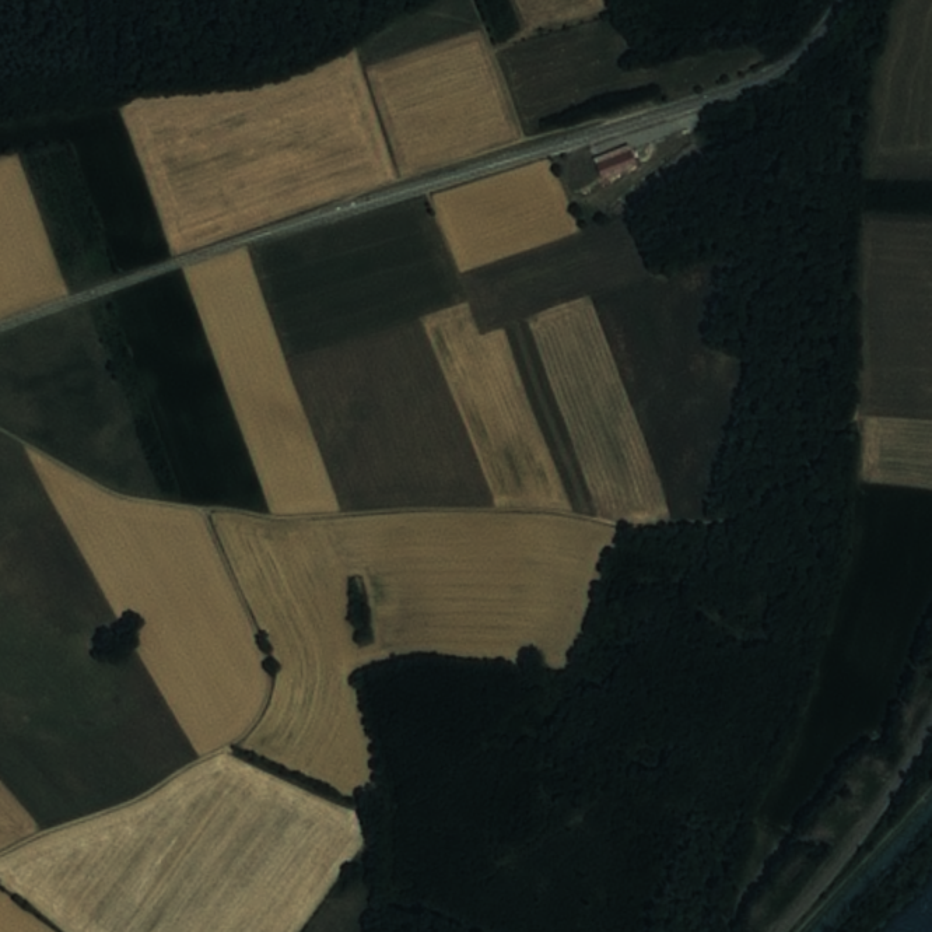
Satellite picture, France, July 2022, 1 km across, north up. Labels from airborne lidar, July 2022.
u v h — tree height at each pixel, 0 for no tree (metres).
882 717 0
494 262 0
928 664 29
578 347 0
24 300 0
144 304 0
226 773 0
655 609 11
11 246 0
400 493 0
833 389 26
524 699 17
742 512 19
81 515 0
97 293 0
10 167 0
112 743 0
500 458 0
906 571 0
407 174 0
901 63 0
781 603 14
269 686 0
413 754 6
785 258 23
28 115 19
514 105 0
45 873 0
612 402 0
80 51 24
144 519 0
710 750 14
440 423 0
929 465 0
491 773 6
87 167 0
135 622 19
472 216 0
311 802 0
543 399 0
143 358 0
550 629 0
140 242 0
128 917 0
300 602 0
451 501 0
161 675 0
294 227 0
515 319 0
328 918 0
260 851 0
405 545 0
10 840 0
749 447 21
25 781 0
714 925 26
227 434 0
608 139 0
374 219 0
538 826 7
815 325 25
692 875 20
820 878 0
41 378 0
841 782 16
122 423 0
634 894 7
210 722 0
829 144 23
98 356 0
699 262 17
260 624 0
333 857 0
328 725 0
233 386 0
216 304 0
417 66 0
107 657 20
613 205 0
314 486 0
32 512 0
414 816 7
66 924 0
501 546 0
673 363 0
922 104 0
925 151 0
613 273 0
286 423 0
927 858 15
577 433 0
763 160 28
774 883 27
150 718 0
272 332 0
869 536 0
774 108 10
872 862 0
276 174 0
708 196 22
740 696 18
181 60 23
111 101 22
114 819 0
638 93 12
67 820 0
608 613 15
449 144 0
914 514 0
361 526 0
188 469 0
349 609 10
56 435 0
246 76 20
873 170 0
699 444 0
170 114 0
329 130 0
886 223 0
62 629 0
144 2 26
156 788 0
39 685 0
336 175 0
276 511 0
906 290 0
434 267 0
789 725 20
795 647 18
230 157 0
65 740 0
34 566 0
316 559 0
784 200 21
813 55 16
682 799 13
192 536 0
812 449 23
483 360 0
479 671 13
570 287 0
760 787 20
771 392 22
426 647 0
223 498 0
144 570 0
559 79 0
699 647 20
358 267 0
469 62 0
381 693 13
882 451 0
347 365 0
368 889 7
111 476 0
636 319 0
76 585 0
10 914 0
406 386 0
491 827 6
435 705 15
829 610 21
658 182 23
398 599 0
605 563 13
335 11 23
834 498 21
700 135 12
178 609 0
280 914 0
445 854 6
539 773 6
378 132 0
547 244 0
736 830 19
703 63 0
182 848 0
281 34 25
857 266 14
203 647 0
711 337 21
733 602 17
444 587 0
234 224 0
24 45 24
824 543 25
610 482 0
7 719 0
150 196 0
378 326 0
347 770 0
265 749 0
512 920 6
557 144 0
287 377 0
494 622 0
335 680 0
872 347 0
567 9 0
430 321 0
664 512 0
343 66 0
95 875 0
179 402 0
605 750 15
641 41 17
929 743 17
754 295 19
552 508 0
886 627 0
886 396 0
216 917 0
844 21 17
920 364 0
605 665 10
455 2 0
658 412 0
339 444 0
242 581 0
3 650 0
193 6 18
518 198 0
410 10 19
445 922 24
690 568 15
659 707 20
